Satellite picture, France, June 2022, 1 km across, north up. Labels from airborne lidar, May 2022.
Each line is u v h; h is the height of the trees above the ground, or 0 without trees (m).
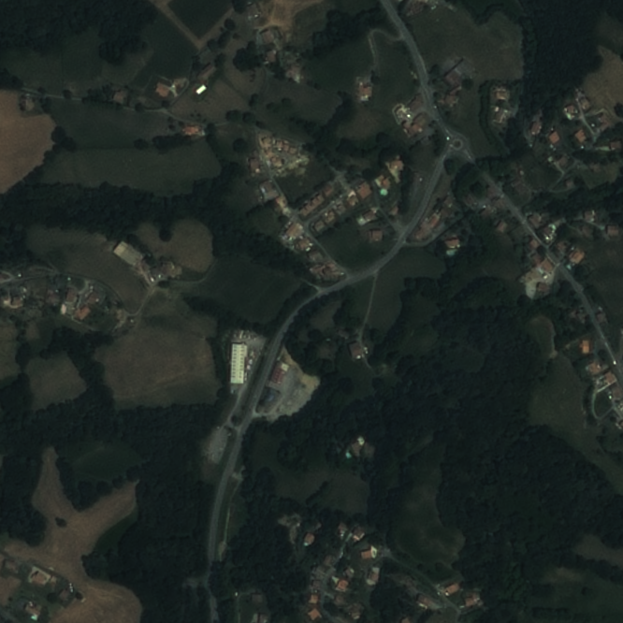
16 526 21
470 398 16
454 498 24
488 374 14
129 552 18
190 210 17
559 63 18
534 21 18
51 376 0
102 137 0
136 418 21
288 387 0
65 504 0
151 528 14
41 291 0
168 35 0
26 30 6
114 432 13
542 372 22
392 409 24
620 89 0
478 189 20
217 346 7
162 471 22
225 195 14
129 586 14
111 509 0
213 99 0
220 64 12
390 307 0
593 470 18
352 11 0
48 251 0
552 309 15
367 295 0
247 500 23
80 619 0
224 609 31
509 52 0
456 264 20
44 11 19
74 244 0
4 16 25
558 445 20
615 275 0
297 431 27
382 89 0
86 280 0
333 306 0
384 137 21
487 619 15
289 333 8
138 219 17
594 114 0
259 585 14
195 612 20
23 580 0
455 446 13
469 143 0
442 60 0
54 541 0
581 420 0
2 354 0
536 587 19
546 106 11
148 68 0
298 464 7
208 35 0
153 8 14
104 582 0
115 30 27
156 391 0
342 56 0
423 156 0
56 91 0
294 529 0
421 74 0
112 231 22
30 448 28
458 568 8
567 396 0
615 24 0
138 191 7
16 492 25
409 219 0
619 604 0
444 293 28
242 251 13
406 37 0
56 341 17
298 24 0
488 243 22
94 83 0
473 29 0
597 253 0
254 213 13
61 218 21
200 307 7
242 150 25
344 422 19
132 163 0
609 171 0
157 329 0
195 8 0
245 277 0
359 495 0
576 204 7
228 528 0
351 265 0
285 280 0
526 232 0
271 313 0
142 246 8
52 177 0
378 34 0
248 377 0
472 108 0
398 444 19
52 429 24
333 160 9
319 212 0
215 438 0
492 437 28
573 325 7
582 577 0
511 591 12
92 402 19
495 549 22
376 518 22
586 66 16
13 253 14
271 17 0
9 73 10
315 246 0
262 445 0
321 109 0
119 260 0
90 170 0
